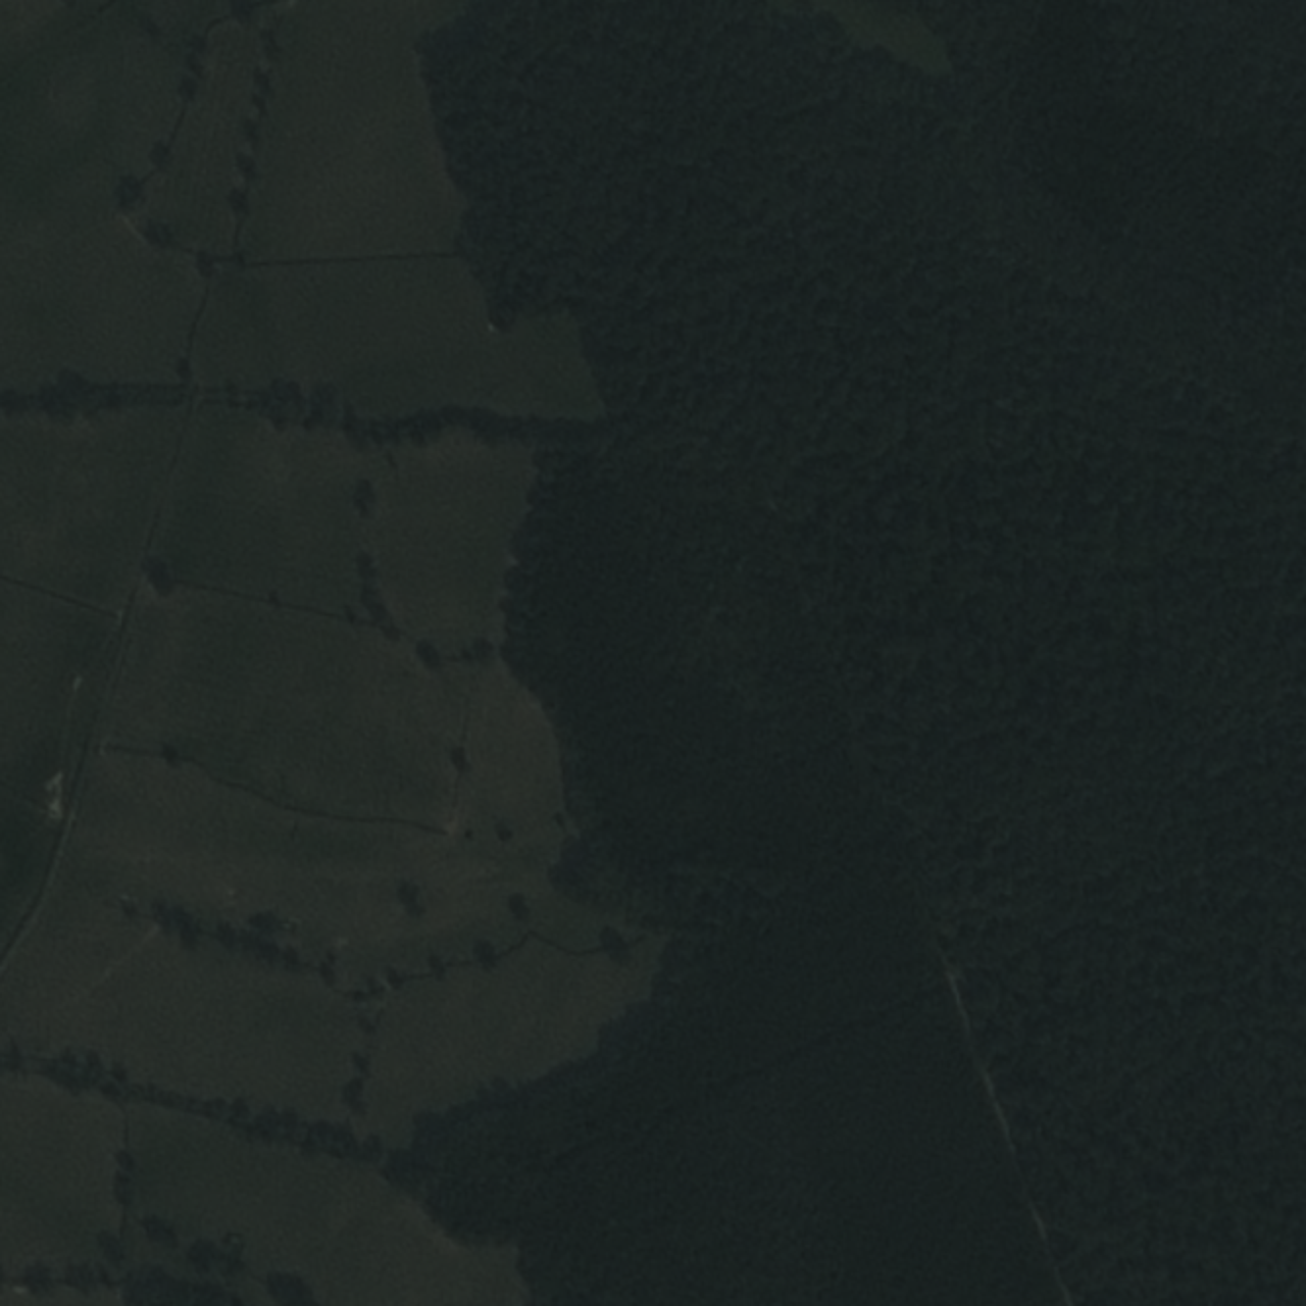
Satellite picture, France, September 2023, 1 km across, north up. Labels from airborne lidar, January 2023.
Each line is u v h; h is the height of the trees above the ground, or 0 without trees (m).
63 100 0
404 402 0
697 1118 16
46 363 0
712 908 16
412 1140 0
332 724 0
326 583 0
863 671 13
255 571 0
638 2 24
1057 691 22
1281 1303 20
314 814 0
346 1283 0
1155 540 23
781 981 13
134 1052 0
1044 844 17
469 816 0
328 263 0
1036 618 20
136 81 0
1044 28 5
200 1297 9
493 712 0
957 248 27
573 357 0
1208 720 23
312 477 0
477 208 11
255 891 0
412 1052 0
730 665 6
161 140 0
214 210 0
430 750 0
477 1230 20
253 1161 0
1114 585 26
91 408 15
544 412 0
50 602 0
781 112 24
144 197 10
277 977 0
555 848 0
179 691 0
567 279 22
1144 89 18
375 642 0
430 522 0
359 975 0
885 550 26
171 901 0
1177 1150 26
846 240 23
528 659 12
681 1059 15
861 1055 17
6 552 0
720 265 25
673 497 11
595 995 0
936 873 16
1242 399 21
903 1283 14
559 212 22
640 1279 11
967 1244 13
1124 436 23
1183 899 22
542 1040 0
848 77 20
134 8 0
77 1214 0
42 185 0
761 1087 14
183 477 0
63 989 0
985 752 24
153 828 0
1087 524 23
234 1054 0
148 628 0
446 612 0
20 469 0
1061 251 18
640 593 11
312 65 0
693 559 13
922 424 26
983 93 17
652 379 22
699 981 12
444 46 15
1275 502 23
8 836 0
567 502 10
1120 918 18
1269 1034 21
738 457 21
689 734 8
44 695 0
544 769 0
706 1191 15
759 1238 15
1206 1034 22
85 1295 9
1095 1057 22
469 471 0
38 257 0
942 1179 13
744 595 11
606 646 10
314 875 0
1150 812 8
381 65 0
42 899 0
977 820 8
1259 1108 22
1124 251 18
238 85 0
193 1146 0
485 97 23
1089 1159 23
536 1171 15
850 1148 13
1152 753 21
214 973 0
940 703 25
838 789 13
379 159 0
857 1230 14
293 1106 0
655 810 13
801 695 10
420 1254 0
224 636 0
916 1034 16
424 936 0
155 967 0
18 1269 0
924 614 8
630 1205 14
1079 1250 9
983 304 18
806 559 9
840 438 23
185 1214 0
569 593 11
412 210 0
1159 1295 17
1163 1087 23
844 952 13
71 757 0
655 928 15
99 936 0
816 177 26
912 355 27
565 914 0
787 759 9
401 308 0
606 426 9
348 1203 0
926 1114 13
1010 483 10
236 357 0
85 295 0
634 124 15
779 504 18
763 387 26
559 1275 12
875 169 23
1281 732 17
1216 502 24
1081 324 22
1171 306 22
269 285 0
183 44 0
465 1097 0
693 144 25
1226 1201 22
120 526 0
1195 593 22
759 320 24
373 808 0
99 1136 0
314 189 0
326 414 18
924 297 22
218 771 0
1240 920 20
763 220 18
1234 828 18
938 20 17
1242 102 18
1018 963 19
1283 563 14
